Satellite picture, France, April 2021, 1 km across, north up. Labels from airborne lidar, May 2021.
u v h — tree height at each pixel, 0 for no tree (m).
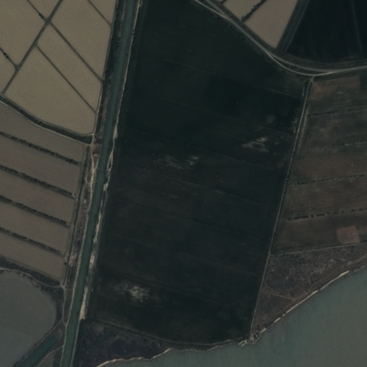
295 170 0
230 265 0
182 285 0
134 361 0
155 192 0
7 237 0
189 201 0
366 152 0
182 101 0
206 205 0
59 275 0
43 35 0
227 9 0
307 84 0
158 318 0
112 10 0
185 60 0
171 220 0
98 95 0
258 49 0
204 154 0
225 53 0
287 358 0
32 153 0
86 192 0
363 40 0
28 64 0
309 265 0
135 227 0
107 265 0
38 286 0
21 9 0
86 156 0
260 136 0
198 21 0
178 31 0
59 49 0
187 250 0
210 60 0
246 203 0
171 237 0
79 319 0
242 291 0
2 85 0
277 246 0
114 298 0
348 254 0
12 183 0
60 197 0
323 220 0
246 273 0
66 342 0
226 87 0
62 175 0
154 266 0
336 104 0
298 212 0
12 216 0
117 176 0
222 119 0
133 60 7
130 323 0
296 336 0
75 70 0
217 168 0
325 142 0
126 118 0
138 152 0
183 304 0
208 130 0
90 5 0
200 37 0
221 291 0
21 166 0
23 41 0
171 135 0
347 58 0
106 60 0
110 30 0
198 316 0
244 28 0
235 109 0
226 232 0
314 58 0
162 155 0
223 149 0
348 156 0
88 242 0
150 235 0
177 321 0
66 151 0
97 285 0
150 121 0
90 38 0
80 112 0
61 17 0
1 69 0
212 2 0
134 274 0
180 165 0
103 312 0
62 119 0
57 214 0
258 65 0
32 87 0
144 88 0
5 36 0
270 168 0
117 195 0
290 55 0
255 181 0
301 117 0
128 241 0
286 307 0
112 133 0
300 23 0
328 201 0
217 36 0
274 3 0
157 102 0
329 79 0
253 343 0
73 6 0
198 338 0
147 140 0
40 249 0
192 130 0
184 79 0
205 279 0
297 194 0
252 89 0
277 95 0
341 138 0
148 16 0
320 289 0
